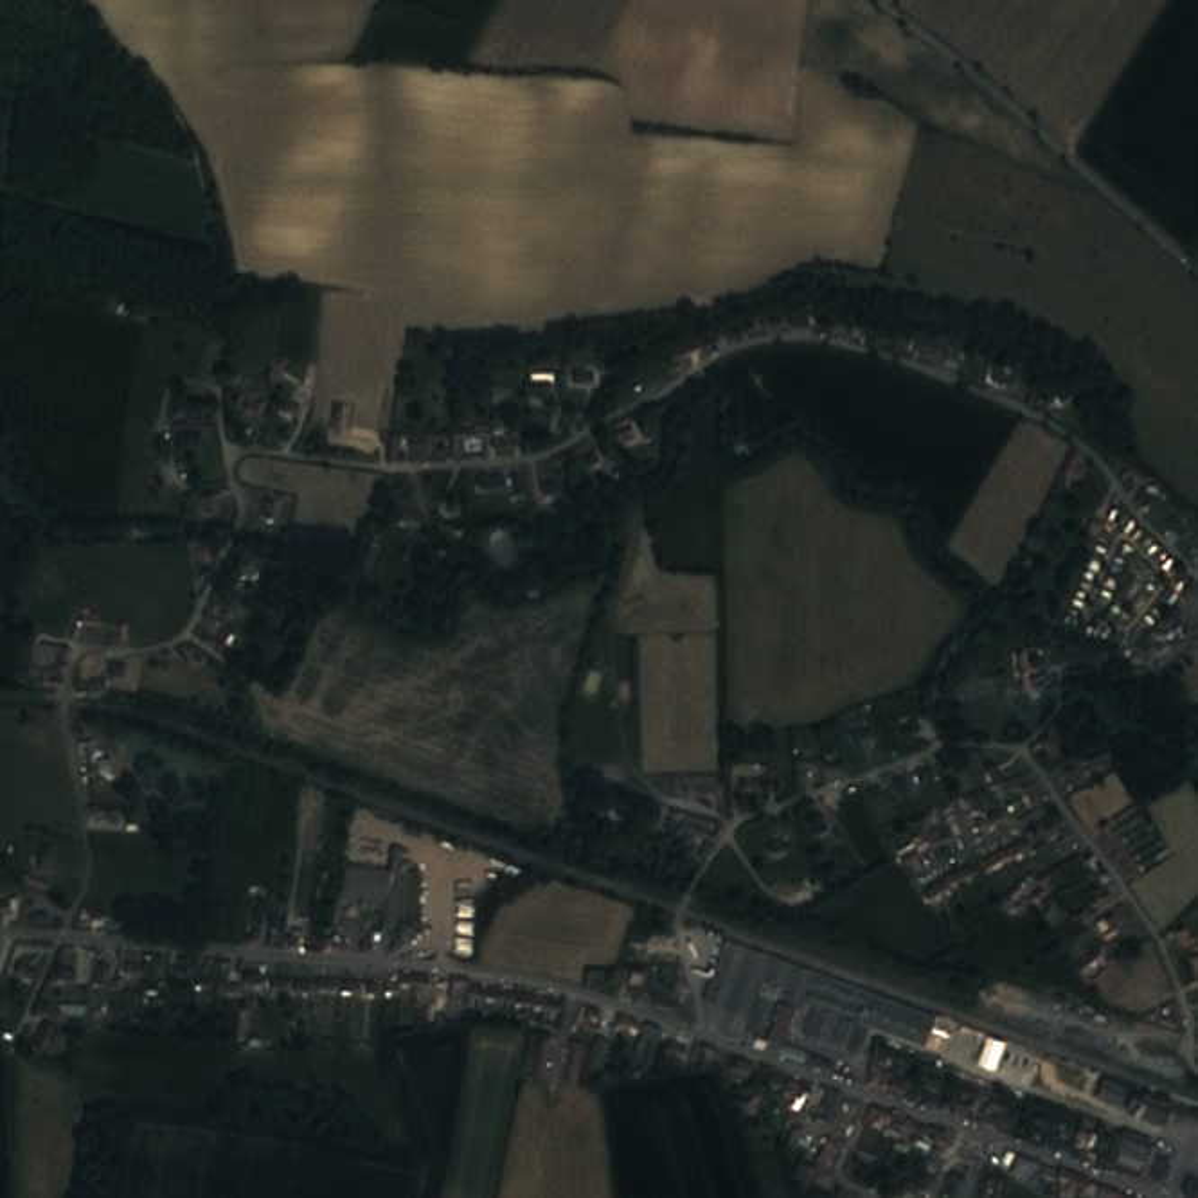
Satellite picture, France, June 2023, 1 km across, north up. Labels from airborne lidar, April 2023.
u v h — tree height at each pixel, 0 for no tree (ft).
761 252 0
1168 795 0
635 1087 0
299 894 0
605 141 0
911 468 0
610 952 0
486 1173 0
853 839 0
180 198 0
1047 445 0
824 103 0
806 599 0
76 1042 19
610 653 0
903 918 0
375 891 0
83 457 0
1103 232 0
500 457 0
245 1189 0
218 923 0
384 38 0
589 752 0
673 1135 0
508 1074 0
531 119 0
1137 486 0
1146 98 0
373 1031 0
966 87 0
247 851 0
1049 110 0
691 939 0
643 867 24
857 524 0
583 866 20
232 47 0
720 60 0
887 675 0
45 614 0
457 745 0
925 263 0
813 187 0
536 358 26
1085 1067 0
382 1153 0
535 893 0
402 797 21
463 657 0
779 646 0
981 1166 0
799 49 0
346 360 0
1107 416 61
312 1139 0
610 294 0
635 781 0
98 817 0
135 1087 0
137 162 0
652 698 0
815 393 0
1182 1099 0
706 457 0
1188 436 0
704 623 0
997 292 0
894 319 36
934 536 45
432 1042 0
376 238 0
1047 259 0
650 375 0
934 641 0
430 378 0
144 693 20
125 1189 0
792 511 0
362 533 32
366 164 0
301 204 0
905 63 0
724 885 0
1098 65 0
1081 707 66
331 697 0
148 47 0
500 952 0
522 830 84
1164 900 0
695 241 0
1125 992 0
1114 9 0
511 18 0
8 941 0
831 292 59
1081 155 0
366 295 0
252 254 0
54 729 0
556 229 0
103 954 0
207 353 0
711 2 0
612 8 0
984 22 0
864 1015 0
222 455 0
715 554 0
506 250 0
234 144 0
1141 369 0
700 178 0
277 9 0
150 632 0
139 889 0
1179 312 0
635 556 0
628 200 0
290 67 0
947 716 21
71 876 0
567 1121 0
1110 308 0
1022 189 0
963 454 0
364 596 70
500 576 52
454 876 0
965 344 19
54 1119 0
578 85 0
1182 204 0
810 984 0
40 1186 0
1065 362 46
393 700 0
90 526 53
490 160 0
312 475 0
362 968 0
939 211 0
